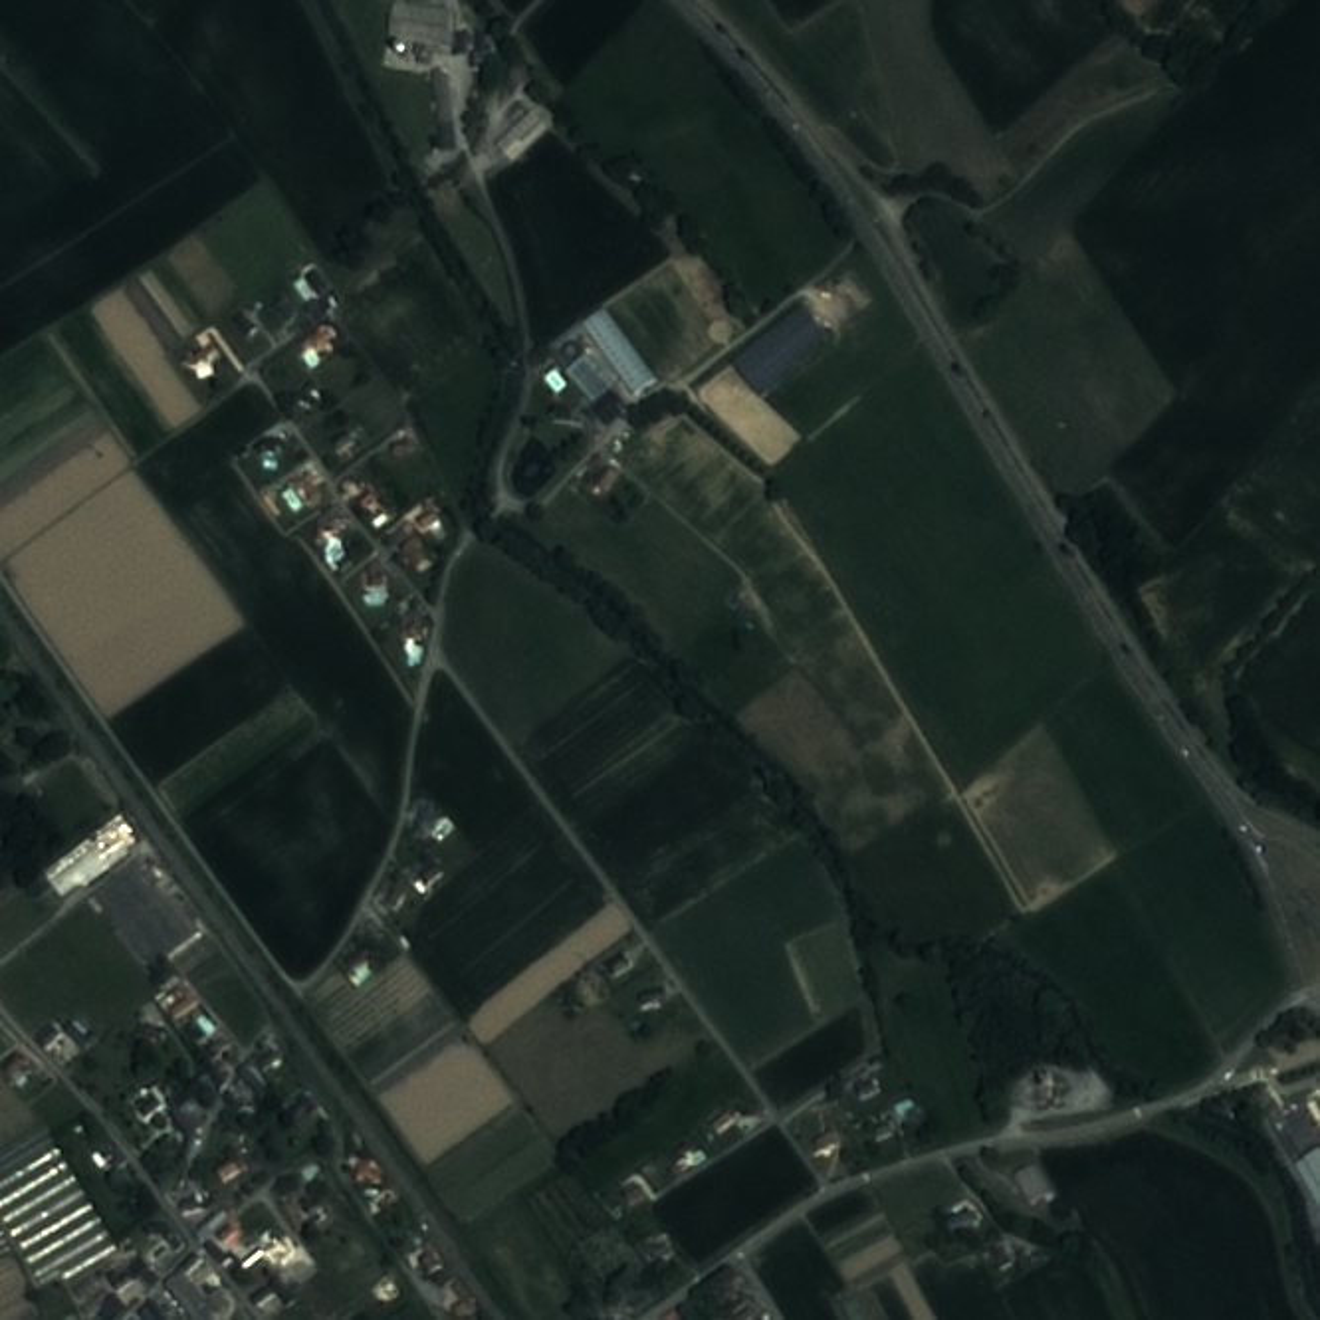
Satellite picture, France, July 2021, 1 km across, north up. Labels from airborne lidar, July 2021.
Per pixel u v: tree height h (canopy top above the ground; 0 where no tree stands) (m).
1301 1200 7
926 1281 0
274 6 0
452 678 0
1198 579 0
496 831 0
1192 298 0
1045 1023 18
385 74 0
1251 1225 0
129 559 0
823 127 0
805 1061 0
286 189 0
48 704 13
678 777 0
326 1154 13
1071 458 0
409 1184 0
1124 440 0
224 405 0
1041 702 0
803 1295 0
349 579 0
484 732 0
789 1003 0
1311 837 0
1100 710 0
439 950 0
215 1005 0
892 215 0
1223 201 0
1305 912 0
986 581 0
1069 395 0
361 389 6
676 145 0
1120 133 0
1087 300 0
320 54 0
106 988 0
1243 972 0
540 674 0
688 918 0
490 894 0
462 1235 0
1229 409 0
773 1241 0
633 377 0
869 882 0
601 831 0
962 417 0
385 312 0
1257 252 0
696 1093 0
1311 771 0
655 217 16
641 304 0
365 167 0
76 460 0
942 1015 0
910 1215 0
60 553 0
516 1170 0
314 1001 0
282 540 0
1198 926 0
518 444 0
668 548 0
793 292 8
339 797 0
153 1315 0
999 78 0
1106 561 16
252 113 0
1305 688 0
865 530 0
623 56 0
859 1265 0
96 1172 0
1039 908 0
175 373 0
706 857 0
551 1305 0
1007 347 0
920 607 0
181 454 0
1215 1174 0
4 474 0
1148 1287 0
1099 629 0
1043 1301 0
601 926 0
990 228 0
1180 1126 6
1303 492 0
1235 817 0
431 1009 0
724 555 0
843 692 0
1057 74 0
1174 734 0
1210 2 0
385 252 0
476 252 0
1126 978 0
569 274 0
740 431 0
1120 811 0
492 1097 0
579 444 17
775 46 0
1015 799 0
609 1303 13
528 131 0
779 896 0
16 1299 0
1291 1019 14
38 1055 0
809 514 0
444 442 0
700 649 0
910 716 0
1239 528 0
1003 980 14
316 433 0
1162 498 0
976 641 0
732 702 0
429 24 0
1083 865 0
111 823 0
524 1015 0
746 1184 0
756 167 0
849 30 0
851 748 0
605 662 0
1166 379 0
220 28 0
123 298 0
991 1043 12
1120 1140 0
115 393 0
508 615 0
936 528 0
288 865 0
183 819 0
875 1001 10
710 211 0
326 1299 0
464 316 0
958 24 0
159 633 0
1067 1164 0
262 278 0
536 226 0
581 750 0
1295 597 7
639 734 0
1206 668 0
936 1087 0
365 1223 0
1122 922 0
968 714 0
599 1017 0
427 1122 0
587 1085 0
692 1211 0
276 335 0
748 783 0
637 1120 20
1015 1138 0
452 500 0
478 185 0
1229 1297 0
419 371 0
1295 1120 0
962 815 0
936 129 0
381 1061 0
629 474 0
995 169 0
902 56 0
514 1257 0
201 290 0
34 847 25
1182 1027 0
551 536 0
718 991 0
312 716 0
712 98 0
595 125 0
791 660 0
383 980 0
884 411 0
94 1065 9
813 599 0
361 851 0
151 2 0
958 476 0
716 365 0
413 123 0
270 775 0
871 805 0
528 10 0
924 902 0
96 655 0
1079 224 0
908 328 0
